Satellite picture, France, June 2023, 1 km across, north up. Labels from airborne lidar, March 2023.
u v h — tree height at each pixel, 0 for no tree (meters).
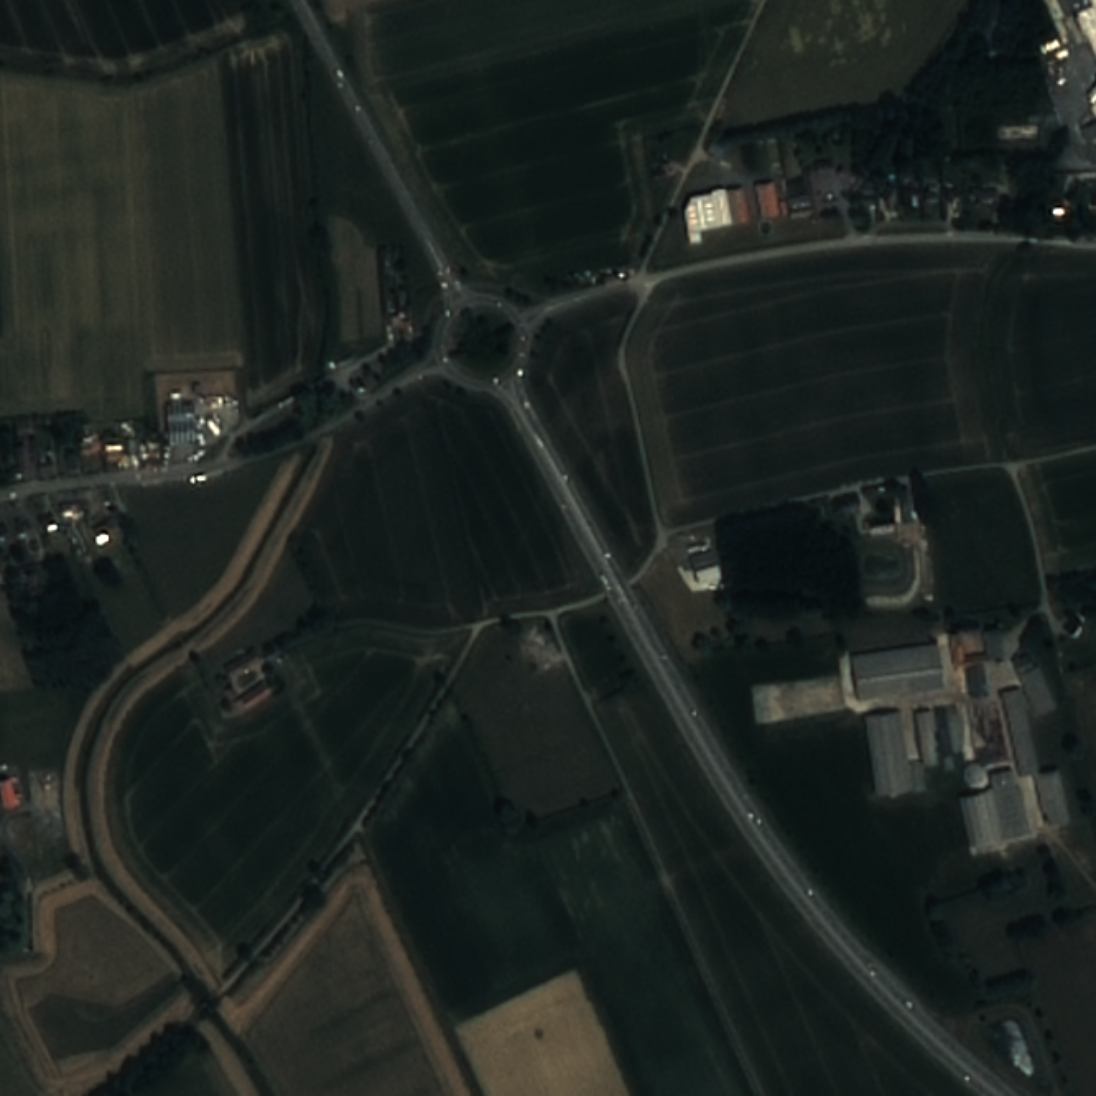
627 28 0
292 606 0
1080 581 10
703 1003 0
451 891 0
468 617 0
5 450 9
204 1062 0
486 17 0
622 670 0
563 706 0
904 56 0
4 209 0
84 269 0
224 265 0
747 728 0
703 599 0
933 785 0
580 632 0
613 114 0
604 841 0
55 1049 0
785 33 0
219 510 0
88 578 0
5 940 17
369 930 0
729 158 0
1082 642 0
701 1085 0
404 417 0
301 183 0
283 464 0
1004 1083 0
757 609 27
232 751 0
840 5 0
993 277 0
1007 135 0
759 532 15
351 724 0
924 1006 0
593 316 0
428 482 0
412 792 0
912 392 0
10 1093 0
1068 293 0
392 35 0
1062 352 0
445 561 0
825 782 0
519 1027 0
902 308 0
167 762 0
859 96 0
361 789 0
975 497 0
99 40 0
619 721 0
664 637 0
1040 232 13
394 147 0
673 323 0
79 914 0
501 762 0
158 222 0
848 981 0
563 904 0
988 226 7
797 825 0
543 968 0
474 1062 0
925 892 0
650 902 0
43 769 0
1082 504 0
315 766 0
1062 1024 0
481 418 0
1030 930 15
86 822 0
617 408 0
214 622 0
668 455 0
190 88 0
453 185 0
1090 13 0
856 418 0
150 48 0
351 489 0
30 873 0
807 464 0
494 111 0
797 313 0
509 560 0
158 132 0
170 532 0
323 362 0
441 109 0
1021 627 0
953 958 10
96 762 0
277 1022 0
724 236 0
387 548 0
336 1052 0
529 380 0
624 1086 0
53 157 0
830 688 0
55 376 0
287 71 0
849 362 0
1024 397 0
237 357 0
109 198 0
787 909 0
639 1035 0
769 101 0
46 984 0
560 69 0
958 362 0
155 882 0
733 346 0
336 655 0
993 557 0
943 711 0
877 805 0
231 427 0
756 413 0
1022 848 0
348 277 0
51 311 0
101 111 0
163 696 0
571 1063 0
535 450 0
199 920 0
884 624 0
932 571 0
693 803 0
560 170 0
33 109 0
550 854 0
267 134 0
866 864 0
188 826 0
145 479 0
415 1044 0
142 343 0
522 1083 0
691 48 0
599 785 0
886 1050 0
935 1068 0
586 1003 0
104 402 0
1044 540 0
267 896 0
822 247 0
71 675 16
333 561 0
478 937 0
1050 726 0
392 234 0
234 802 0
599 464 0
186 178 0
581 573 0
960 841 0
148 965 0
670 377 0
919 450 0
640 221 0
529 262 0
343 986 0
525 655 0
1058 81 0
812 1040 0
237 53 0
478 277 0
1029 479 0
